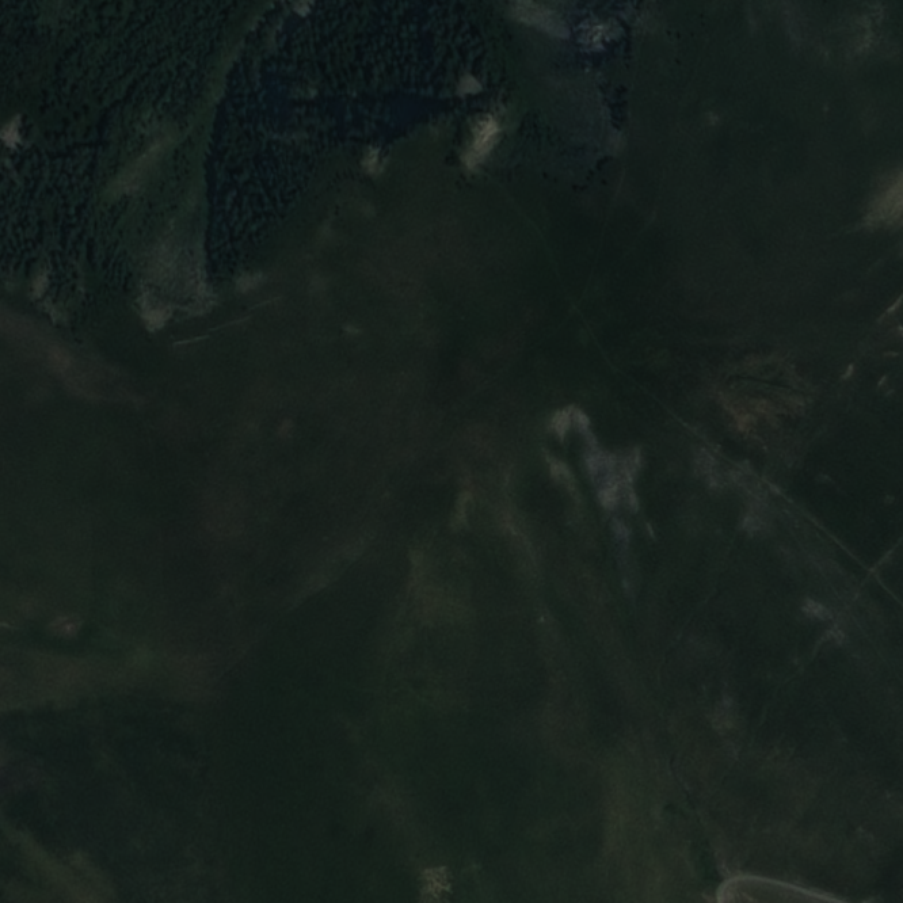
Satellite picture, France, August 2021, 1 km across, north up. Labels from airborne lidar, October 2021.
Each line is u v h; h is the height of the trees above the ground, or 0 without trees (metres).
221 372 0
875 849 0
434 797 0
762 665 0
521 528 0
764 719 0
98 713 0
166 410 0
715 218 0
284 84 13
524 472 0
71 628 0
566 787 0
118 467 0
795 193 0
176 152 6
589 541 0
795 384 0
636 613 0
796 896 0
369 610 0
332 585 0
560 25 0
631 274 0
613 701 0
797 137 0
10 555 0
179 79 8
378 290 0
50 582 0
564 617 0
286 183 14
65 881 0
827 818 0
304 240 0
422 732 0
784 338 0
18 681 0
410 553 0
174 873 0
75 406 0
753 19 0
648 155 0
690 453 0
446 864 0
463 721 0
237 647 0
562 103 0
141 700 0
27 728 0
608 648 0
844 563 0
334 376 0
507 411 0
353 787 0
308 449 0
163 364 0
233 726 0
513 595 0
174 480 0
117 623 0
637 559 0
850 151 0
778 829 0
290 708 0
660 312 0
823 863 0
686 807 0
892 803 0
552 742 0
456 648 0
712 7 0
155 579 0
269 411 0
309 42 28
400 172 0
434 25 30
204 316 0
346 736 0
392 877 0
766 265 0
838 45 0
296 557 0
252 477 0
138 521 0
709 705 0
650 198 0
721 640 0
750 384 0
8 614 0
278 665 0
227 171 8
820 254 0
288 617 0
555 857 0
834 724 0
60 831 0
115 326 0
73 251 9
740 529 0
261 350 0
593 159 0
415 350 0
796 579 0
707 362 0
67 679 0
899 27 0
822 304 0
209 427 0
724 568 0
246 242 6
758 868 0
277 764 0
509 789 0
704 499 0
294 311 0
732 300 0
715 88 0
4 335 0
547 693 0
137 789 0
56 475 0
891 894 0
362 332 0
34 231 14
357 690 0
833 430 0
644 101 0
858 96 0
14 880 0
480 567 0
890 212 0
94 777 0
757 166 0
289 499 0
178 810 0
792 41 0
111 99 15
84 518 0
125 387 0
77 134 16
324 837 0
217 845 0
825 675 0
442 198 0
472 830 0
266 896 0
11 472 0
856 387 0
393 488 0
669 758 0
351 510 0
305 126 11
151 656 0
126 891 0
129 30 13
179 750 0
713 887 0
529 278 0
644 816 0
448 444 0
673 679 0
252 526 0
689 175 0
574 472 0
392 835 0
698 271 0
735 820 0
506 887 0
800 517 0
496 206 0
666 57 0
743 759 0
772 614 0
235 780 0
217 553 0
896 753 0
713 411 0
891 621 0
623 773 0
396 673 0
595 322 0
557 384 0
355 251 0
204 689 0
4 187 19
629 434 0
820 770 0
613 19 0
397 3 19
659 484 0
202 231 0
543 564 0
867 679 0
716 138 0
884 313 0
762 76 0
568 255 0
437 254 0
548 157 0
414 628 0
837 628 0
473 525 0
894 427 0
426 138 0
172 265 0
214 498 0
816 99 0
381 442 0
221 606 0
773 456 0
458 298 0
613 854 0
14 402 0
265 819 0
